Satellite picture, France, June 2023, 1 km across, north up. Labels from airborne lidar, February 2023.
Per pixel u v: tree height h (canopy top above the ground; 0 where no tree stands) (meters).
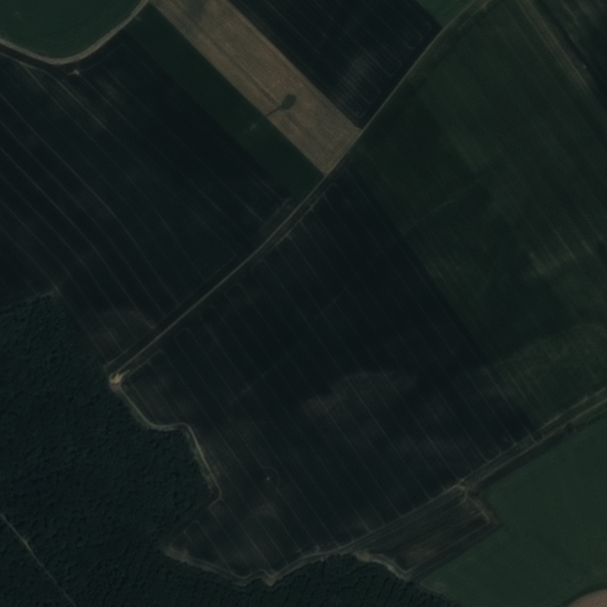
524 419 0
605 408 0
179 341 0
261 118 0
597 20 0
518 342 0
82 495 25
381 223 0
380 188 0
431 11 0
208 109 0
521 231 0
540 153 0
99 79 0
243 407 0
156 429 0
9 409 23
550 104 0
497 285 0
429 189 0
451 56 0
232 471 0
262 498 0
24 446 23
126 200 0
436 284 0
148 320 0
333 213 0
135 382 0
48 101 0
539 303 0
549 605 0
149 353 0
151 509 22
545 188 0
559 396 0
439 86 0
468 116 0
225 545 0
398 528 0
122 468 20
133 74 0
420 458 0
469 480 0
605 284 0
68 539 19
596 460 0
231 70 0
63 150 0
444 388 0
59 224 0
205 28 0
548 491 0
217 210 0
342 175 0
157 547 14
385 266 0
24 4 0
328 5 0
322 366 0
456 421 0
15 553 26
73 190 0
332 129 0
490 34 0
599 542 0
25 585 27
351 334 0
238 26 0
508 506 0
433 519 0
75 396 20
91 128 0
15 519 25
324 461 0
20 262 0
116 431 21
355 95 0
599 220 0
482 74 0
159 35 0
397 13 0
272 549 0
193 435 0
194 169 0
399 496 0
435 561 0
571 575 0
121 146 0
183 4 0
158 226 0
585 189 0
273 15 0
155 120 0
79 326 0
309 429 0
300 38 0
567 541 0
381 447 0
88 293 0
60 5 0
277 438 0
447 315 0
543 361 0
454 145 0
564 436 0
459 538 0
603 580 0
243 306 0
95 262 0
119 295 0
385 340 0
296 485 0
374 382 0
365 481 0
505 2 0
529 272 0
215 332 0
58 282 0
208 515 0
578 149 0
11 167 0
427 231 0
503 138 0
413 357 0
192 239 0
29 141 0
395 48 0
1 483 25
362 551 0
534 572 0
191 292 0
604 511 0
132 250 0
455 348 0
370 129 0
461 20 0
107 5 0
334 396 0
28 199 0
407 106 0
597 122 0
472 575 0
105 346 0
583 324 0
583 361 0
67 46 0
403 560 0
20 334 19
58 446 20
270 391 0
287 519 0
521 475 0
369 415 0
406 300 0
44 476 24
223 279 0
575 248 0
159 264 0
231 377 0
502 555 0
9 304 0
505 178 0
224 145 0
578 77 0
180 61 0
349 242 0
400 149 0
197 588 11
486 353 0
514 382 0
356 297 0
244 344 0
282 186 0
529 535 0
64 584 18
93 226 0
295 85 0
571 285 0
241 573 0
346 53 0
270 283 0
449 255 0
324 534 0
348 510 0
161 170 0
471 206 0
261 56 0
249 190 0
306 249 0
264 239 0
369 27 0
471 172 0
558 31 0
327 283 0
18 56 0
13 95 0
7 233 0
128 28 0
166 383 0
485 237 0
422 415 0
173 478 24
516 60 0
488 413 0
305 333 0
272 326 0
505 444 0
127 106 0
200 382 0
